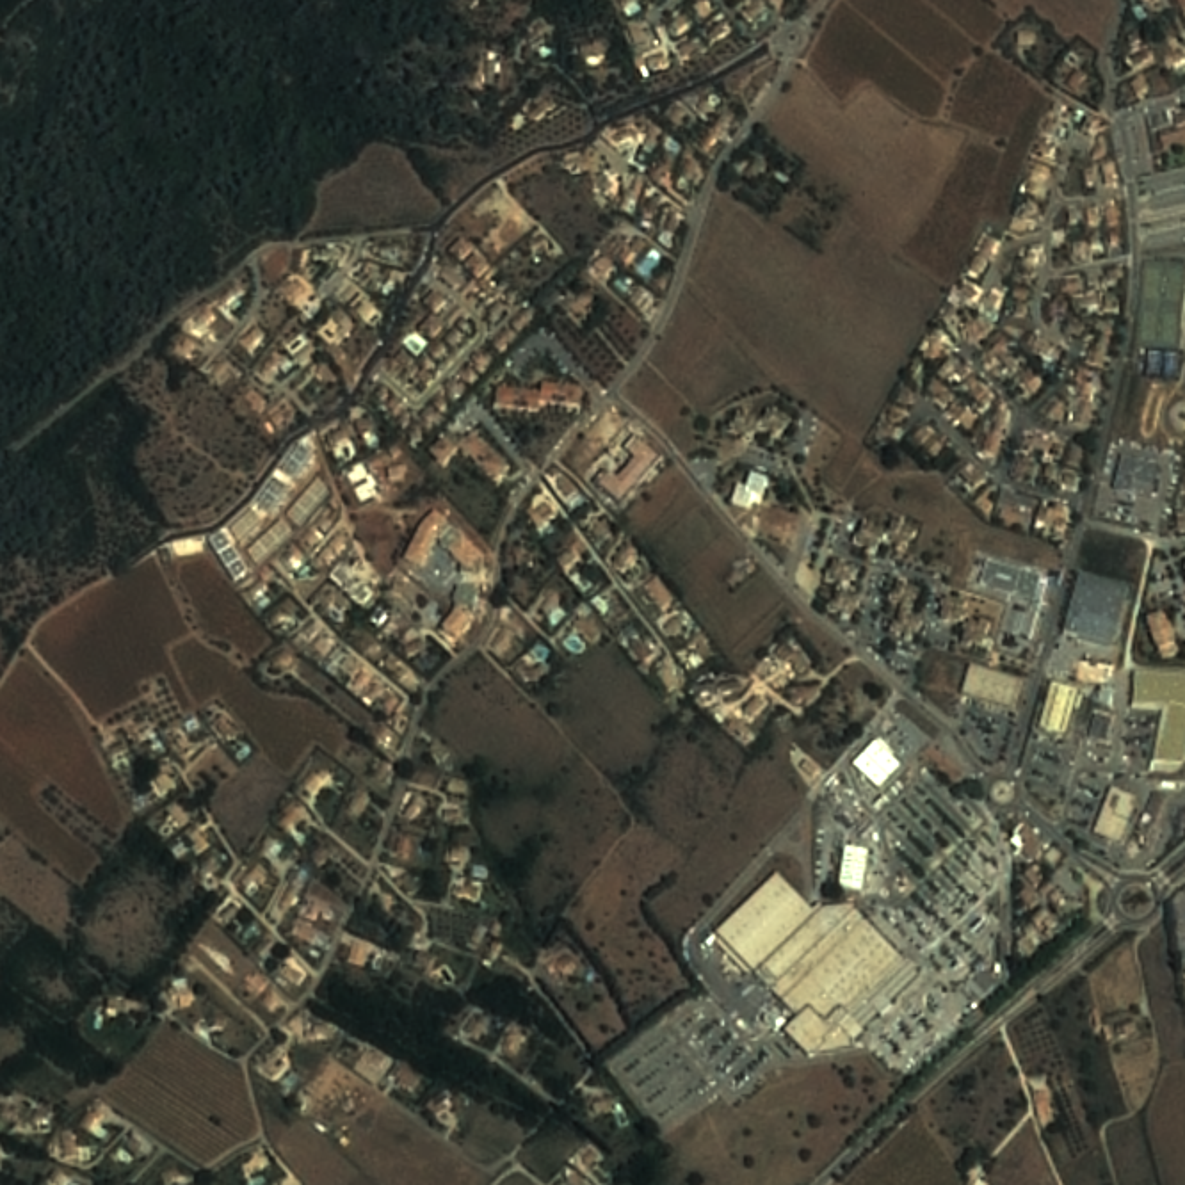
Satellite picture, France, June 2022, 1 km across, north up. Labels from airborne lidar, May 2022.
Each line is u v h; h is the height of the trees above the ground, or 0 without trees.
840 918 0
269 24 6
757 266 0
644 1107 0
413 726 0
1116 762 0
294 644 0
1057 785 0
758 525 0
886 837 0
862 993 0
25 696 0
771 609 0
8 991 6
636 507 0
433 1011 8
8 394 18
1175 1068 0
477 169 0
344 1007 6
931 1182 0
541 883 0
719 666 8
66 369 16
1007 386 7
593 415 0
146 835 7
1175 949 7
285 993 0
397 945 7
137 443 8
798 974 0
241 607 0
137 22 14
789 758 0
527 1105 7
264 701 0
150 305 12
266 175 19
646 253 0
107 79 25
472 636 0
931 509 0
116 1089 0
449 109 20
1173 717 0
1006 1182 0
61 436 8
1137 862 0
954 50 0
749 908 0
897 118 0
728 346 0
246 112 20
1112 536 0
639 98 8
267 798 0
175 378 12
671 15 8
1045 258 0
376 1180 0
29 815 0
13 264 17
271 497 0
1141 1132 0
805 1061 0
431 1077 6
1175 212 0
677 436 0
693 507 0
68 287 7
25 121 6
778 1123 0
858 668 0
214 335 0
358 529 6
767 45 0
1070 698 0
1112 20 0
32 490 18
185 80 7
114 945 0
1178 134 0
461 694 0
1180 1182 0
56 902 0
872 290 0
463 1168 0
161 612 0
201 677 0
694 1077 0
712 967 0
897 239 0
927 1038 0
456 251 0
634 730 0
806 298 0
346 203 0
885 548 9
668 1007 14
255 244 7
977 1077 8
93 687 0
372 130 16
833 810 0
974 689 0
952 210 0
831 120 0
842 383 0
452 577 0
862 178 0
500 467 0
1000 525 9
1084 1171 0
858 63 0
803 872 0
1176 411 0
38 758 0
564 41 8
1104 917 0
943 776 6
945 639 0
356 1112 0
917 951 0
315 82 25
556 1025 9
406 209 0
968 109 0
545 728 0
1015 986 11
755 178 11
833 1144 0
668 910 0
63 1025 7
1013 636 0
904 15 0
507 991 10
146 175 7
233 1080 0
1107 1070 0
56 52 6
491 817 0
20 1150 9
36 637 0
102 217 21
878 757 0
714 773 0
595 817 0
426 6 10
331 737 0
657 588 0
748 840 0
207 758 0
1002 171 0
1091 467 7
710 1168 0
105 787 0
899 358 0
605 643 5
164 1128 0
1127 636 0
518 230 0
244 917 11
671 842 0
